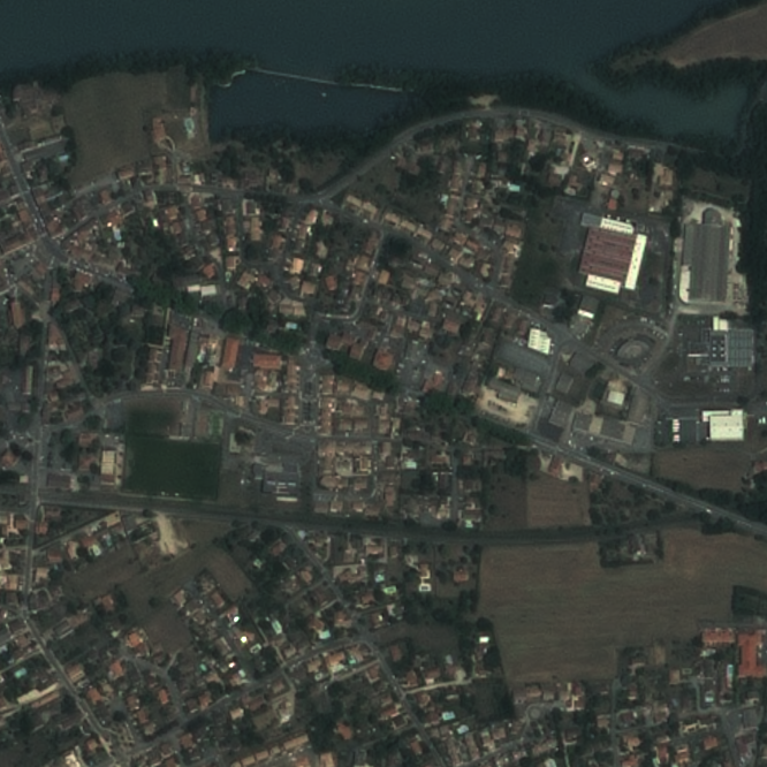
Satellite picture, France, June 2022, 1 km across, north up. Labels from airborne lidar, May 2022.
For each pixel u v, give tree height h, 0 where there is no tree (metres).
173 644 0
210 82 6
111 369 20
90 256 0
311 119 0
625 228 0
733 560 0
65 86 14
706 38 0
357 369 23
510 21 0
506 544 0
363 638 0
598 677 0
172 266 8
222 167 11
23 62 0
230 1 0
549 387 0
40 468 0
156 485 0
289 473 0
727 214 0
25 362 8
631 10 0
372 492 0
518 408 0
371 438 0
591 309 0
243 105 0
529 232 0
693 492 8
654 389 0
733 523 15
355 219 0
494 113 0
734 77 16
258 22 0
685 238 0
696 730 0
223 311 17
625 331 0
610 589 0
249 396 0
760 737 8
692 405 0
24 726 11
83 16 0
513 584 0
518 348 0
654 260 0
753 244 11
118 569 0
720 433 0
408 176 8
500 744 0
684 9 0
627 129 18
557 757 9
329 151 9
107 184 0
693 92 15
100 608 7
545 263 0
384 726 10
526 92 10
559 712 13
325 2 0
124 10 0
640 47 7
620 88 8
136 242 9
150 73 8
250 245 7
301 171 0
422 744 10
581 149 0
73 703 15
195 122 0
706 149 14
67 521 7
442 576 12
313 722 7
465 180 0
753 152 16
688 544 0
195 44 0
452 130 8
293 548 6
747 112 13
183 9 0
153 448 0
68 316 15
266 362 0
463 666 6
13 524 0
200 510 0
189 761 7
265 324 8
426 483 11
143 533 6
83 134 0
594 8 0
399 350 0
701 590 0
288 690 0
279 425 0
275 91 0
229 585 0
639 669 6
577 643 0
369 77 9
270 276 7
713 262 0
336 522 0
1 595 7
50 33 0
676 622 0
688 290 0
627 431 0
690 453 0
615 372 0
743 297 0
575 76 0
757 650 0
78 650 5
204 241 6
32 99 0
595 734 8
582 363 0
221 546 6
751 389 0
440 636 0
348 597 8
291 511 0
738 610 12
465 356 0
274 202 7
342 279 6
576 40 0
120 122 0
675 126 0
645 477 0
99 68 15
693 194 8
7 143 0
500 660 10
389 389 14
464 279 0
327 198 0
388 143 14
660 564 0
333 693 10
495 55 0
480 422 21
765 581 0
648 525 7
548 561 0
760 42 0
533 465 0
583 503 0
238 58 21
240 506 0
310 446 0
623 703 7
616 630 0
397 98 0
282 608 8
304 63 0
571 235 0
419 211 0
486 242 0
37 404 11
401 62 0
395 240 8
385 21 0
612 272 0
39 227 0
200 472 0
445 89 10
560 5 0
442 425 8
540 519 0
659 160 0
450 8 0
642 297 0
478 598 7
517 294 0
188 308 24
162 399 0
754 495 8
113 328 9
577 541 0
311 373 0
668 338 0
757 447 0
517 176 11
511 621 0
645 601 0
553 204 0
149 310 16
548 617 0
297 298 0
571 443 0
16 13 0
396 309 0
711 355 0
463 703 8
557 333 0
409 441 11
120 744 7
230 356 0
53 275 9
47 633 0
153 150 0
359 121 0
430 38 0
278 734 6
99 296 9
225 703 0
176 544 0
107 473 0
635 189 9
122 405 0
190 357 0
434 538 0
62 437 8
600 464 0
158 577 0
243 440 6
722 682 0
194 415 0
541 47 0
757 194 14
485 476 5
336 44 0
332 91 0
